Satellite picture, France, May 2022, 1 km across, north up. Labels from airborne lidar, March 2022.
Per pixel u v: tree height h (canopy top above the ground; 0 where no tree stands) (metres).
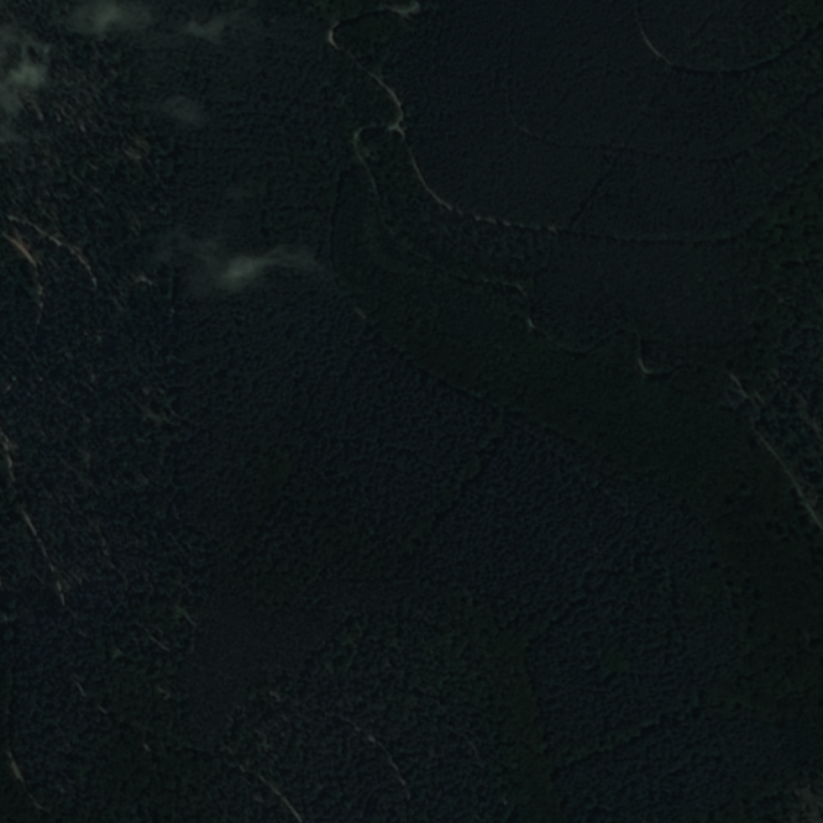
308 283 29
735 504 8
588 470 28
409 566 18
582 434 21
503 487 27
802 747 19
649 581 27
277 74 24
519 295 20
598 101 16
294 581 18
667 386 16
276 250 27
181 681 22
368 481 29
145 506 8
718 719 27
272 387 26
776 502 11
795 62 24
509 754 19
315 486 30
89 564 24
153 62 30
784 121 21
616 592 27
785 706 21
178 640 16
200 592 19
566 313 26
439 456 27
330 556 21
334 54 18
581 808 29
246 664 19
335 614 19
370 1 16
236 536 23
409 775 26
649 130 16
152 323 7
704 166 18
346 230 20
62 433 33
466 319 15
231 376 23
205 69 25
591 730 31
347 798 29
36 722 24
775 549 10
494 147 13
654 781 25
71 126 32
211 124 21
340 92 18
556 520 29
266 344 23
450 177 16
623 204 20
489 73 12
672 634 23
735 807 22
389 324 21
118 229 8
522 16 16
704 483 14
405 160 18
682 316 17
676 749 29
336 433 28
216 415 26
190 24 31
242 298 23
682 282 15
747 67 13
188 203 27
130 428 10
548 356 17
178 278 19
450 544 26
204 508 27
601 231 17
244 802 27
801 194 29
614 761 27
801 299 25
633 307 16
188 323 24
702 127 20
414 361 20
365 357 28
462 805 25
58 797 22
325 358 27
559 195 16
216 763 22
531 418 18
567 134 13
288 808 28
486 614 19
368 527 20
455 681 15
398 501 27
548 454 25
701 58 15
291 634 19
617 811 32
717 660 24
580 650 23
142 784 28
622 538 29
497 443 30
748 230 18
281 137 27
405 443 28
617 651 24
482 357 16
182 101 29
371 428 30
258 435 24
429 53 18
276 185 23
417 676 20
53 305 25
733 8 19
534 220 16
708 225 19
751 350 27
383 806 28
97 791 28
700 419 19
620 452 19
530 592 29
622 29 17
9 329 30
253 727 21
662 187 17
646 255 21
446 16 15
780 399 17
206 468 26
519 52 16
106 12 28
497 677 18
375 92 18
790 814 18
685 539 26
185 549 25
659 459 21
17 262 7
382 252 23
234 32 24
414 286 19
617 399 20
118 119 27
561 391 20
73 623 25
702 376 18
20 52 27
